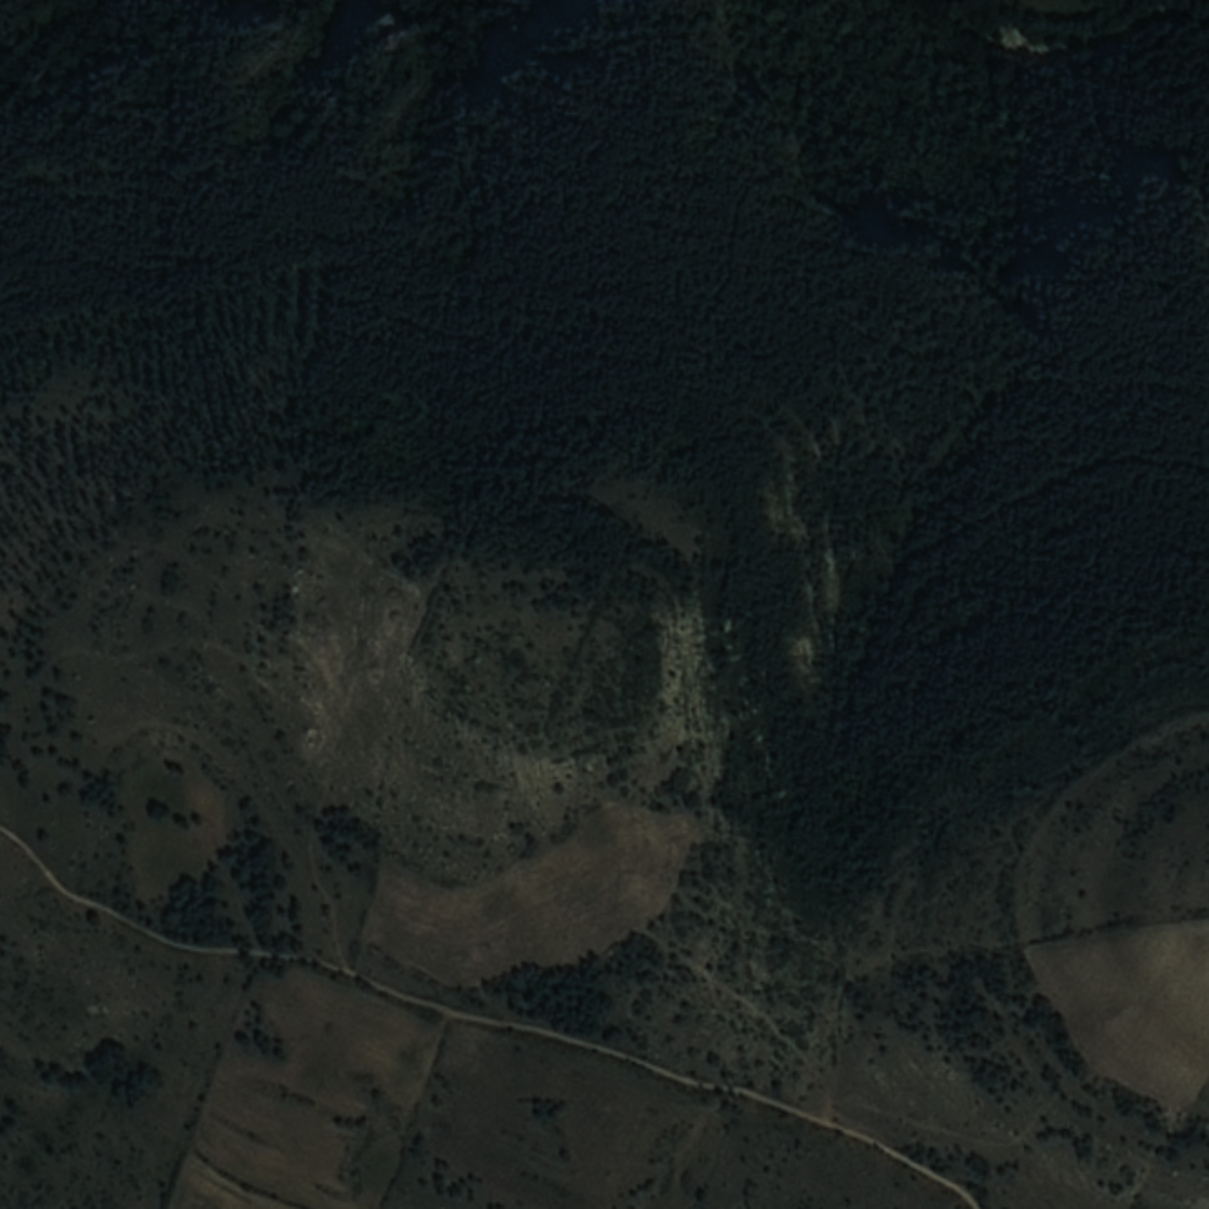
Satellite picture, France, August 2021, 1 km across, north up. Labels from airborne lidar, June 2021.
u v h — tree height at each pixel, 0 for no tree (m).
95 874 0
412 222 14
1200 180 9
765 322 13
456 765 0
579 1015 10
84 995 0
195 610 0
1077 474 13
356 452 11
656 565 6
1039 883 0
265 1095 0
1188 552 7
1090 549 13
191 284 17
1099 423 15
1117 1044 0
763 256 12
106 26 16
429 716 0
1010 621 15
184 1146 0
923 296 12
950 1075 0
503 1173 0
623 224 15
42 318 12
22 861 0
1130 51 18
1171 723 0
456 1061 0
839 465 14
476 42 12
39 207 13
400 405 12
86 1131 0
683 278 10
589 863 0
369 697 0
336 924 0
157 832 0
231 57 9
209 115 12
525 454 8
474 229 12
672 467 7
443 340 13
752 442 11
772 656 11
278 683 0
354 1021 0
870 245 15
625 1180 0
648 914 0
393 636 0
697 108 13
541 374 16
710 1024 0
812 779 14
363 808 0
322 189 16
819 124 20
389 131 11
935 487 17
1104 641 12
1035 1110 0
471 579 0
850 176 7
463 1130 0
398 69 12
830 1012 0
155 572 0
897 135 8
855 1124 0
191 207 16
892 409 11
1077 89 14
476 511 8
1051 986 0
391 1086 0
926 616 14
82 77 12
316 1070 0
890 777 7
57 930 0
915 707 14
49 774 0
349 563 0
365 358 17
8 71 20
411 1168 0
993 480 13
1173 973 0
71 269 11
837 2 7
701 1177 0
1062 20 16
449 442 16
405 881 0
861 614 7
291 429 10
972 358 18
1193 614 13
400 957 0
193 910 10
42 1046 0
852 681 16
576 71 8
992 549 8
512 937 0
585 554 12
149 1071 11
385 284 18
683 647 0
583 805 0
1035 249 6
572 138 12
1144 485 12
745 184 10
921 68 8
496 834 0
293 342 17
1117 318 13
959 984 8
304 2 10
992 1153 0
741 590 13
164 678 0
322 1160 0
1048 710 12
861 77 9
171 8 18
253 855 13
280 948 9
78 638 0
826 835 8
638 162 15
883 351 15
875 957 0
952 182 11
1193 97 14
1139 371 12
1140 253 19
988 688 16
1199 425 13
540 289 17
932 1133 0
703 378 14
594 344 15
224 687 0
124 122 12
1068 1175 0
